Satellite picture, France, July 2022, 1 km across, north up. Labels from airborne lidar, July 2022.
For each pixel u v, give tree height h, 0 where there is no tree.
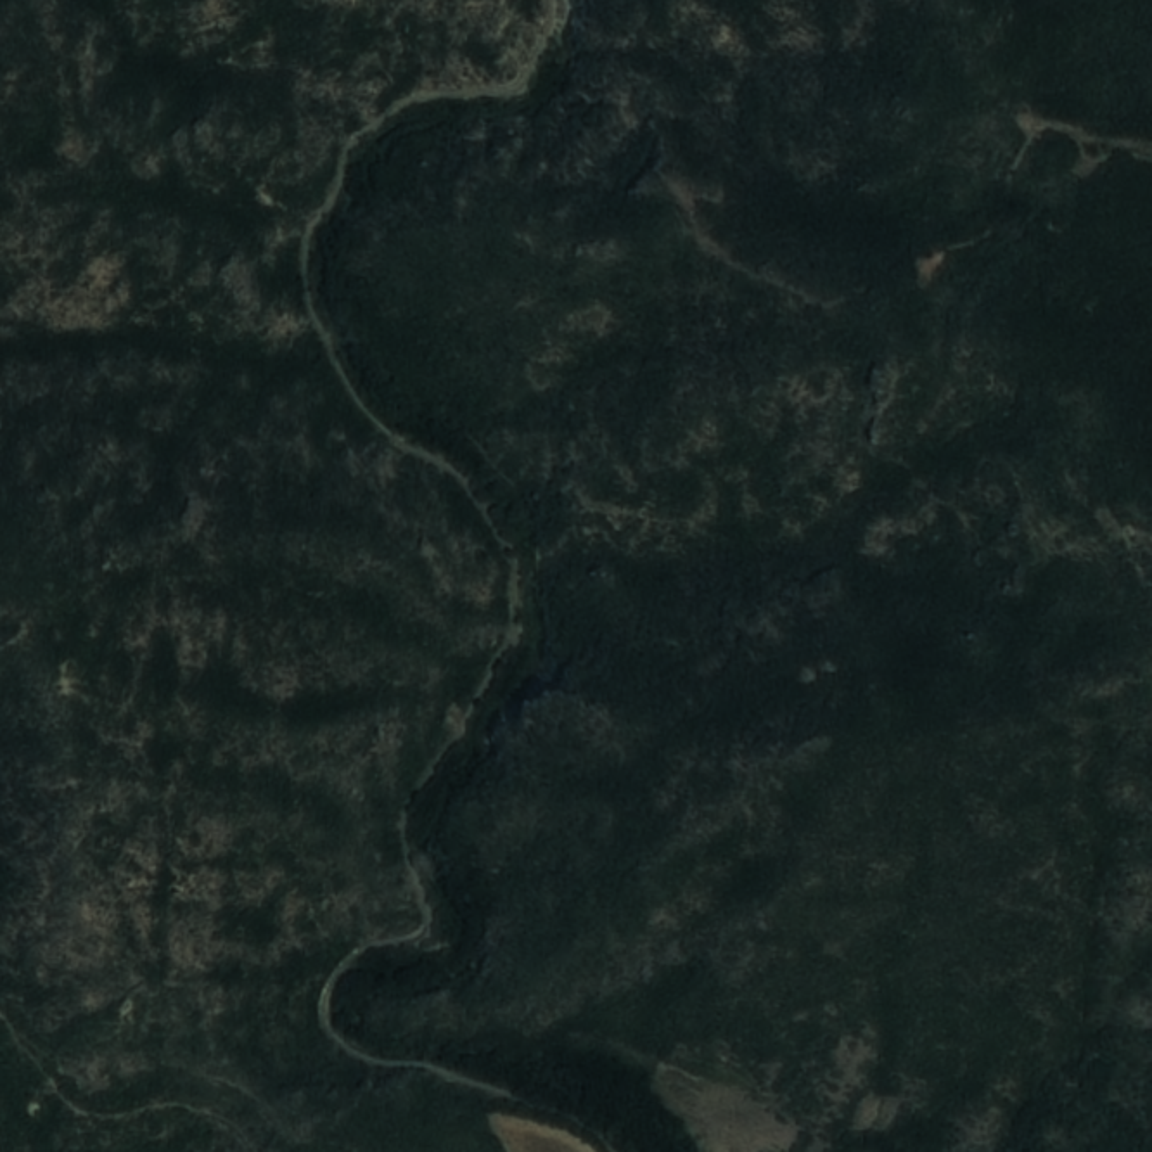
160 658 7
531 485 7
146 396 7
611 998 7
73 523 6
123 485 6
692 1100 0
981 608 7
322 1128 6
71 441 7
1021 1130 5
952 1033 6
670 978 9
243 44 8
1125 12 8
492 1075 13
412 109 13
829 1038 7
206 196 7
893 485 6
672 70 6
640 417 5
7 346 7
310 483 6
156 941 6
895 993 6
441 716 7
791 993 6
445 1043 9
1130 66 5
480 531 10
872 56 8
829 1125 8
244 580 6
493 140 7
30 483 6
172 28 7
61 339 8
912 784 5
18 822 6
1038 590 6
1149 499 5
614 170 6
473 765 13
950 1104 8
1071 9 5
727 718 7
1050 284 8
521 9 6
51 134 6
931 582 6
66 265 8
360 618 6
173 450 6
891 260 7
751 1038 7
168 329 7
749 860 6
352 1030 20
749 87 5
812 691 6
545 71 8
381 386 21
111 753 6
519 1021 6
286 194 7
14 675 5
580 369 6
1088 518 6
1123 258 6
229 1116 7
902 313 5
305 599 7
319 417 8
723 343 6
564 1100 19
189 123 6
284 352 7
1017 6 7
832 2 6
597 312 0
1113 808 6
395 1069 9
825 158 5
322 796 6
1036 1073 9
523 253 6
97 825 7
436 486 10
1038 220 7
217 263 7
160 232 6
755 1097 6
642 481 8
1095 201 7
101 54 8
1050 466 7
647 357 7
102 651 7
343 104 6
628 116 0
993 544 6
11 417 6
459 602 6
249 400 6
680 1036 6
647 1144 24
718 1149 0
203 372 6
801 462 7
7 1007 6
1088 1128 6
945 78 6
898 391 6
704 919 7
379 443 8
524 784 6
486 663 6
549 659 9
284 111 6
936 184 7
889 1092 6
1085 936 7
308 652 7
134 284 7
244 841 6
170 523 8
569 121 6
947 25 6
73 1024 5
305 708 11
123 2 6
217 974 8
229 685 6
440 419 12
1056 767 6
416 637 6
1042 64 6
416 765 6
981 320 5
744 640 6
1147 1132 6
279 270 6
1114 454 6
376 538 6
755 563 6
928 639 6
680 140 6
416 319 7
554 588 7
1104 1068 7
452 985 8
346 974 6
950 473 6
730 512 6
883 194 8
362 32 5
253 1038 6
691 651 5
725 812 0
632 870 6
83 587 7
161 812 6
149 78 8
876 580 7
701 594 6
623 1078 17
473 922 17
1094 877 6
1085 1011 6
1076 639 5
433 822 10
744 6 6
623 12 6
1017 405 7
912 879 6
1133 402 8
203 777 6
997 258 6
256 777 8
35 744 6
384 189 10
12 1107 7
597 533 7
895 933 6
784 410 6
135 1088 8
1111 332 7
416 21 6
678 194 0
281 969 7
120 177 8
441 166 6
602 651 6
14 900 6
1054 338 6
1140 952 6
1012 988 7
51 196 8
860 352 5
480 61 8
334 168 8
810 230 6
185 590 5
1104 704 6
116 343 8
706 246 0
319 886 6
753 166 9
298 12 9
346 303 18
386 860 6
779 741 7
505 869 6
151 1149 8
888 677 6
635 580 8
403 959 13
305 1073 6
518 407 6
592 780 6
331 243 15
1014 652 6
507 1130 0
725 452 8
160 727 7
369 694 6
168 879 8
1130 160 7
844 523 6
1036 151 6
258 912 7
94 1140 6
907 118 7
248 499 6
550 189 7
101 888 10
